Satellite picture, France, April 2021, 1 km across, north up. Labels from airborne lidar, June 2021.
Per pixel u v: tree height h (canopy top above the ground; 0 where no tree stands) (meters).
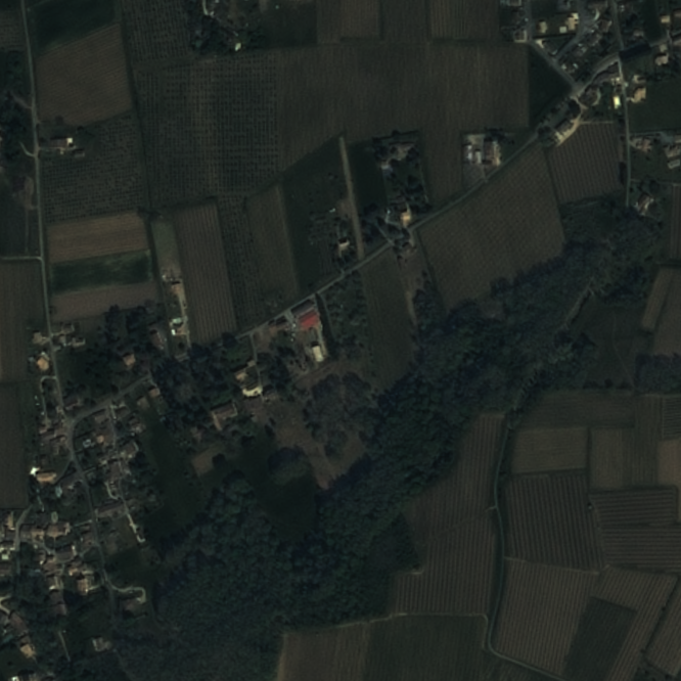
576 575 0
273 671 17
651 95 0
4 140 18
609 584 0
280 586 23
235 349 29
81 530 0
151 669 21
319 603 17
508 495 0
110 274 0
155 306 10
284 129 0
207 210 0
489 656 0
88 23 0
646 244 26
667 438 0
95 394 0
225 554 19
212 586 17
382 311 0
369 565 10
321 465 0
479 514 0
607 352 0
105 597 7
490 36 0
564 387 23
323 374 0
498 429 0
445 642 0
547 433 0
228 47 6
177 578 0
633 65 0
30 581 19
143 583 0
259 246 0
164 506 0
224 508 17
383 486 23
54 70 0
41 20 0
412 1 0
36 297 0
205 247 0
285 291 0
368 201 0
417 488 18
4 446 0
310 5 0
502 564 0
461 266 0
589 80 10
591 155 0
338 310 8
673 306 0
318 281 0
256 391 0
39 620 14
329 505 20
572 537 0
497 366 21
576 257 20
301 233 0
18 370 0
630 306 12
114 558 0
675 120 0
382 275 0
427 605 0
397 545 10
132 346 15
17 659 0
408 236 14
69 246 0
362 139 0
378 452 21
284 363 14
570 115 7
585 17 0
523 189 0
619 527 0
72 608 21
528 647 0
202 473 0
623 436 0
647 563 0
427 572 0
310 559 23
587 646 0
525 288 18
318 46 0
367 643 0
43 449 0
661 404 0
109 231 0
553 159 0
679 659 0
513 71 0
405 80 0
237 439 11
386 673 0
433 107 0
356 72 0
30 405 0
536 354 18
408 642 0
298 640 0
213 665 13
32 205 0
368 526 27
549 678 0
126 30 0
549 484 0
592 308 0
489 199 0
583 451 0
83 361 0
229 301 0
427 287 10
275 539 21
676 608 0
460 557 0
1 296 0
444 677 0
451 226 0
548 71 0
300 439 0
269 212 0
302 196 0
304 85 0
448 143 0
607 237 9
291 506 0
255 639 14
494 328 8
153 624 0
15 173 0
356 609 15
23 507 0
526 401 21
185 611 23
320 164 0
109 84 0
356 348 19
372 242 16
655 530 0
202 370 22
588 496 0
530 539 0
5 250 0
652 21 0
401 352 0
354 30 0
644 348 0
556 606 0
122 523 0
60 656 25
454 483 0
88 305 0
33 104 0
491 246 0
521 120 0
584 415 0
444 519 0
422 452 19
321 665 0
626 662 0
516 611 0
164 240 0
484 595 0
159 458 0
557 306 15
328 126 0
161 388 16
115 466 0
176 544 16
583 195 0
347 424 24
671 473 0
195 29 12
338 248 7
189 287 0
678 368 21
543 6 0
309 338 0
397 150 12
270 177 6
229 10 8
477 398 16
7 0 0
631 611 0
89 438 10
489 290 0
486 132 8
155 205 0
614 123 0
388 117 0
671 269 0
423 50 0
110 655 16
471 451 0
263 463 0
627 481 0
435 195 0
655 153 0
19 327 0
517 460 0
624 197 0
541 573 0
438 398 18
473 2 0
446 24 0
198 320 0
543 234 0
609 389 12
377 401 12
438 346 24
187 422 18
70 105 0
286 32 0
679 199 0
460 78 0
